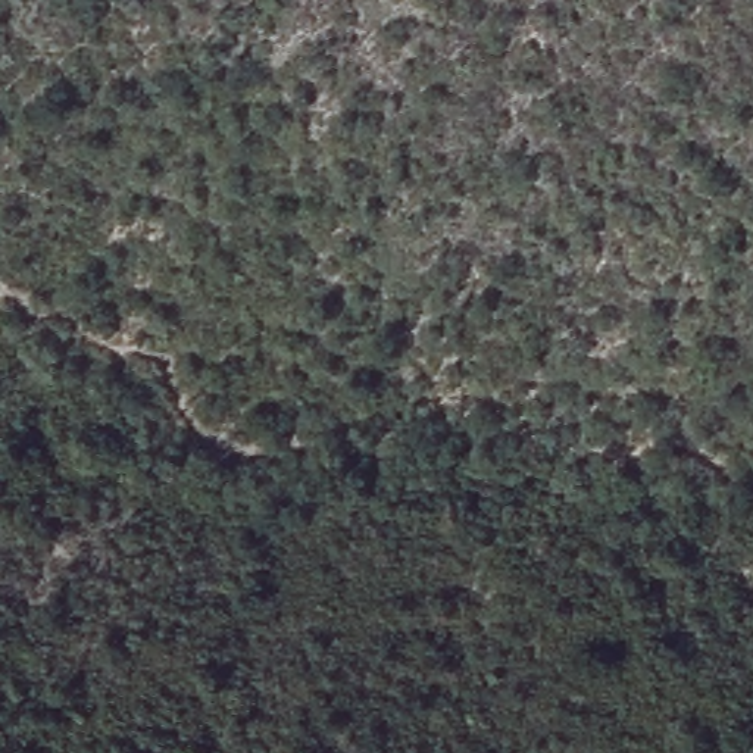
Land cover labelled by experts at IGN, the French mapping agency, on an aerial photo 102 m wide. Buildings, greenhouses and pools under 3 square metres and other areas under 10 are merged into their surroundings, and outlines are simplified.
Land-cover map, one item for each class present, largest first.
<instances>
[{"label":"brushwood","instance_id":"1","mask_svg":"<svg viewBox=\"0 0 753 753\"><path fill-rule=\"evenodd\" d=\"M0 753H753V0H0Z\"/></svg>","mask_w":753,"mask_h":753}]
</instances>
